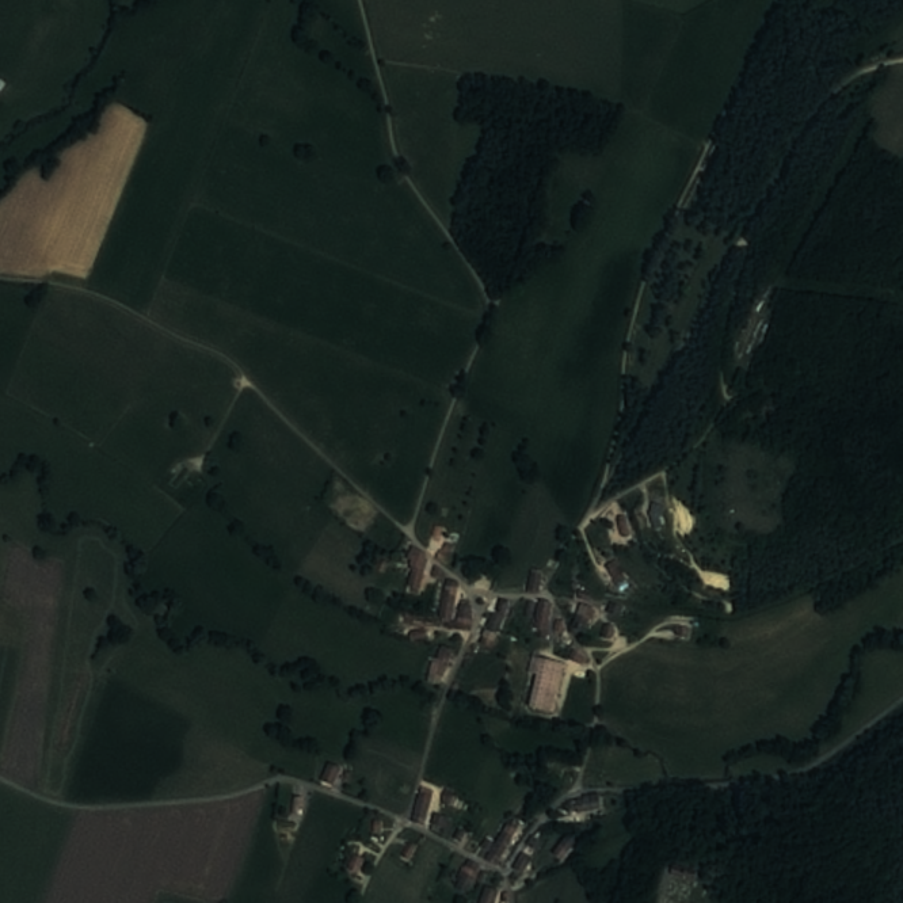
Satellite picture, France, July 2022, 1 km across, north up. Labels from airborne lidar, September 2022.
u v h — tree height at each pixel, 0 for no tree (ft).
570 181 0
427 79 0
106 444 0
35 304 62
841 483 59
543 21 0
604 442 0
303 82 0
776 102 67
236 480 0
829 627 0
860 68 40
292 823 18
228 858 0
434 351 0
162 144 0
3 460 0
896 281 48
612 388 0
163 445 0
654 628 0
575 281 0
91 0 0
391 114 43
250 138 0
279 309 0
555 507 0
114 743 0
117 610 0
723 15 0
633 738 0
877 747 56
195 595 0
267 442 0
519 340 0
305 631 0
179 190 0
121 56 0
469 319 0
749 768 0
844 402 38
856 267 52
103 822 0
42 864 0
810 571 55
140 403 0
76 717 0
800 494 43
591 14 0
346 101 0
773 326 32
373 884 0
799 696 0
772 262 44
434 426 0
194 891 0
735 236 38
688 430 31
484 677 0
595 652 0
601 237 0
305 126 0
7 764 0
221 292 0
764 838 88
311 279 0
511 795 0
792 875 59
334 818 0
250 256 0
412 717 0
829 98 52
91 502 0
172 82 0
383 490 0
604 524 27
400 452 0
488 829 0
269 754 0
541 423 0
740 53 0
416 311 0
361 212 0
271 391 0
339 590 0
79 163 0
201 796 0
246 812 0
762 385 19
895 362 40
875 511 44
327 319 0
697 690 0
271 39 0
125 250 0
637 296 0
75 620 0
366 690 51
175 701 0
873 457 59
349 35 35
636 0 0
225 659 0
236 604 0
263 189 0
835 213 47
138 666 0
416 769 0
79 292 0
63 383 0
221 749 0
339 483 0
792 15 56
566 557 49
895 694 0
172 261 0
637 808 63
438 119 0
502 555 68
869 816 71
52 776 0
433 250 0
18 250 0
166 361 0
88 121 49
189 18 0
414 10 0
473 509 0
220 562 0
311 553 0
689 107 0
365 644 0
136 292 0
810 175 57
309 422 0
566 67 0
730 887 43
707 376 56
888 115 0
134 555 47
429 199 0
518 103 84
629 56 0
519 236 44
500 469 0
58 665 0
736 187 69
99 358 0
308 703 0
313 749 52
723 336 38
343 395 0
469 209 77
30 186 0
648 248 0
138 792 0
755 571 49
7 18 0
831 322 43
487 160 68
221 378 0
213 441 0
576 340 0
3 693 0
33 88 0
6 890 0
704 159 0
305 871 0
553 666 0
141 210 0
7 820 0
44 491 25
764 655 0
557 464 0
